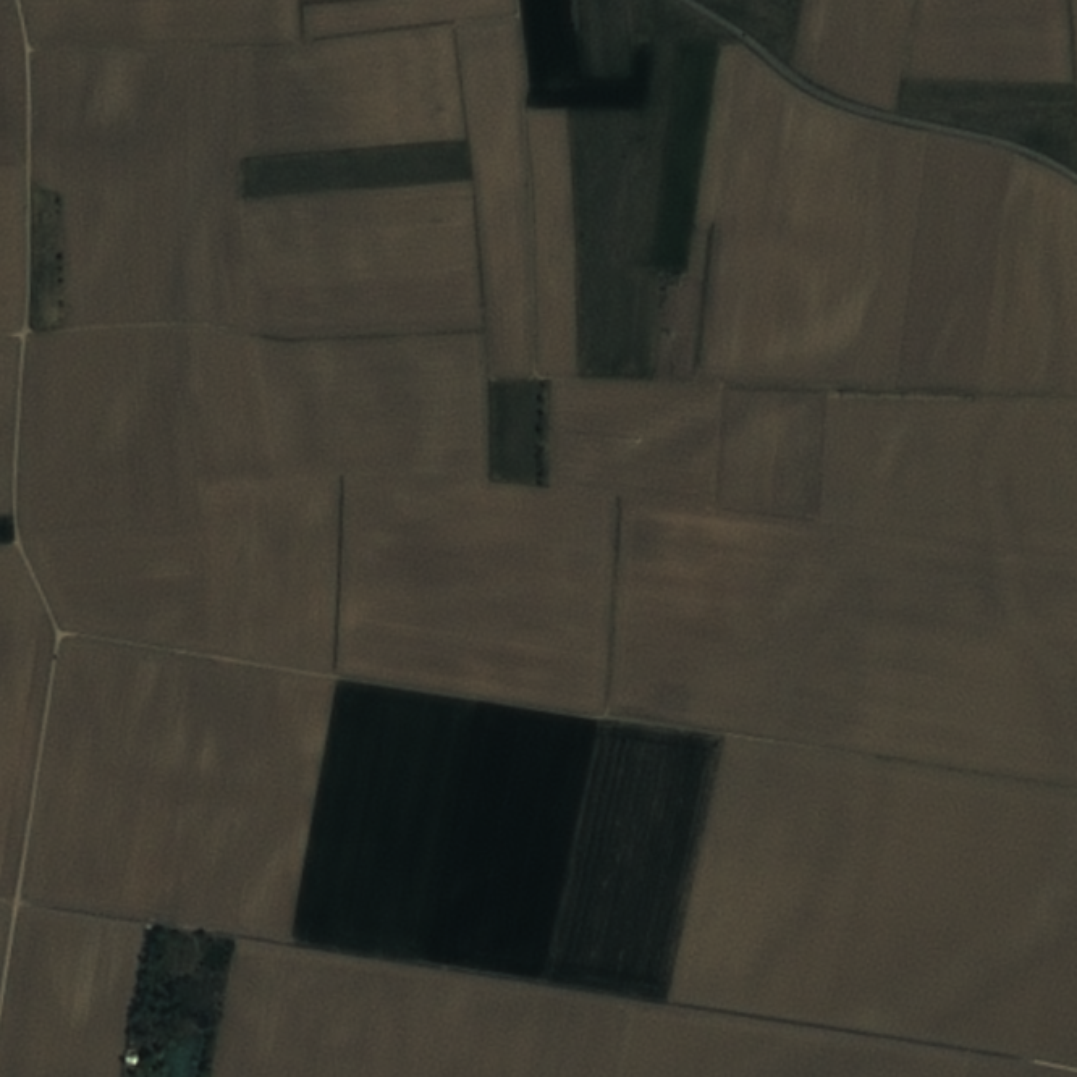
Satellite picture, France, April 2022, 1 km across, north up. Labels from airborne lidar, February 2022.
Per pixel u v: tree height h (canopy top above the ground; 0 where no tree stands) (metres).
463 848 0
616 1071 0
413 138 0
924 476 0
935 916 0
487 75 0
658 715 0
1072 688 0
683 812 0
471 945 0
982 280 0
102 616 0
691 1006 0
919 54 0
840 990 0
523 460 0
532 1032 0
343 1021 0
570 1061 0
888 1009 0
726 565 0
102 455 0
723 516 0
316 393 0
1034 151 0
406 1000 0
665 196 0
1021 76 0
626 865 0
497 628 0
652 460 0
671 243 0
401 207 0
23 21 0
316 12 0
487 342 0
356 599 0
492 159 0
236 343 0
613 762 0
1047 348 0
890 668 0
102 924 0
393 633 0
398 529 0
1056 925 0
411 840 0
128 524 0
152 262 0
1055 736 0
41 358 0
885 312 0
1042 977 0
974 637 0
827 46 0
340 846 0
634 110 0
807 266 0
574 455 0
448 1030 0
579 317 0
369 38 0
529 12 0
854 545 0
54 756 0
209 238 0
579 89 0
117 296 0
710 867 0
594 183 0
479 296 0
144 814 0
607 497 0
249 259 0
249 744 0
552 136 0
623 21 0
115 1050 0
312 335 0
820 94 0
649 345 0
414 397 0
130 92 0
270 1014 0
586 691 0
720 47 0
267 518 0
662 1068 0
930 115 0
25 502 0
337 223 0
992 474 0
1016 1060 0
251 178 0
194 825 0
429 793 0
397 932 0
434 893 0
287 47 0
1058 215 0
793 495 0
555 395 0
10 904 0
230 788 0
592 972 0
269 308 0
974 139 0
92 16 0
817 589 0
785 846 0
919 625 0
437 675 0
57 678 0
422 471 0
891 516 0
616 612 0
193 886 0
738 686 0
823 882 0
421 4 0
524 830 0
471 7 0
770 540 0
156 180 0
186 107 0
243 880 0
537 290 0
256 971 0
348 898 0
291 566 0
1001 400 0
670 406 0
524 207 0
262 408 0
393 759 0
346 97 0
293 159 0
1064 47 0
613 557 0
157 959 19
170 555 0
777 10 0
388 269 0
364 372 0
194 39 0
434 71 0
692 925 0
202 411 0
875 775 0
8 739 0
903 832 0
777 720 0
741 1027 0
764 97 0
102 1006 0
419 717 0
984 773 0
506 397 0
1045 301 0
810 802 0
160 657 0
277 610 0
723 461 0
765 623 0
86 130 0
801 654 0
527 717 0
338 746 0
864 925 0
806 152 0
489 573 0
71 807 0
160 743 0
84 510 0
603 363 0
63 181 0
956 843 0
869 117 0
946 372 0
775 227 0
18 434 0
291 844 0
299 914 0
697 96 0
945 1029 0
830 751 0
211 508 0
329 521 0
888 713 0
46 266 0
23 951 0
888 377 0
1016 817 0
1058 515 0
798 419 0
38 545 0
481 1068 0
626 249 0
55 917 0
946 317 0
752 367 0
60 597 0
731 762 0
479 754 0
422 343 0
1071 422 0
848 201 0
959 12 0
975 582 0
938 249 0
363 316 0
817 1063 0
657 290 0
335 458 0
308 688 0
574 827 0
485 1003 0
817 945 0
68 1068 0
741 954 0
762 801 0
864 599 0
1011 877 0
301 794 0
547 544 0
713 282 0
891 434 0
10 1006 0
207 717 0
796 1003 0
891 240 0
